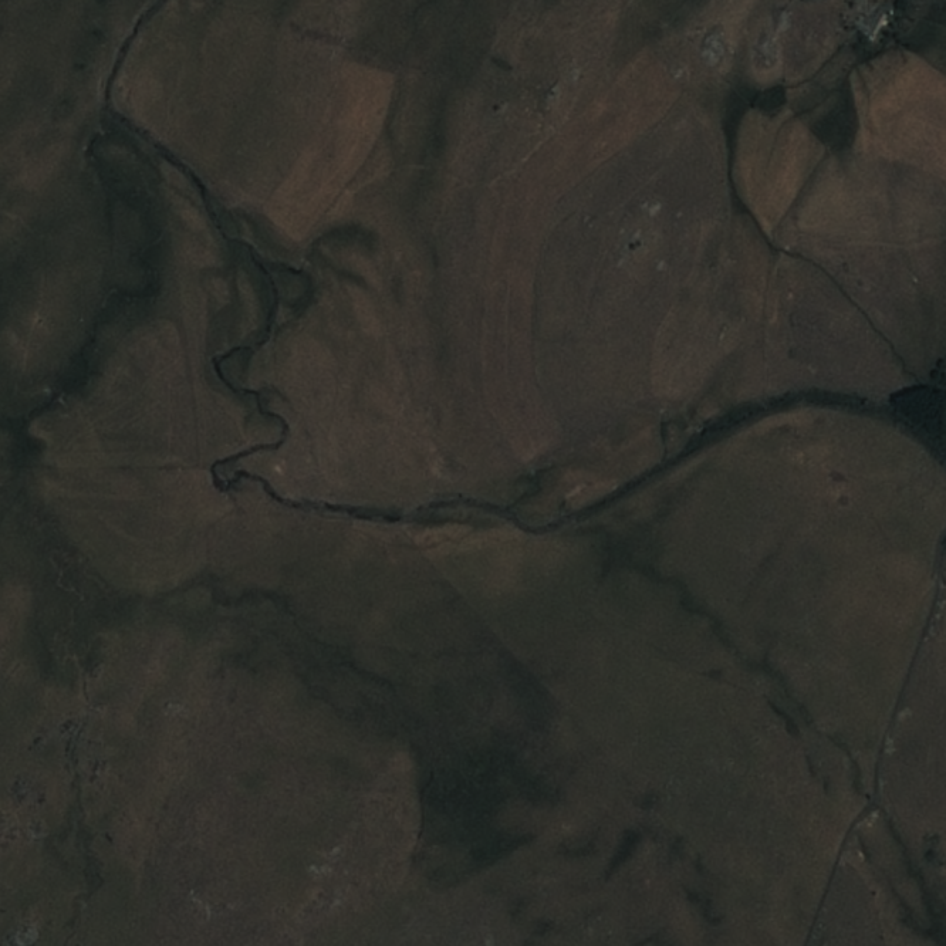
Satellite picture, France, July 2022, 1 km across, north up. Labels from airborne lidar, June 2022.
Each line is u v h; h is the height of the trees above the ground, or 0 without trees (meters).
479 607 0
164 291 0
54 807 0
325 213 0
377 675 0
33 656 0
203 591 0
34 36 0
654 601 0
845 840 0
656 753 0
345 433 0
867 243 0
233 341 0
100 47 0
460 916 0
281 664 0
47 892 0
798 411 0
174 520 0
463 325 0
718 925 0
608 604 0
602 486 0
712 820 0
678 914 0
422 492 0
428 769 0
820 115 0
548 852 0
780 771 0
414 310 0
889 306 0
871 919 0
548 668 0
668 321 0
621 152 0
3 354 0
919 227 0
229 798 0
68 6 0
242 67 0
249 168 0
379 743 0
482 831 0
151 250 0
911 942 0
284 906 0
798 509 0
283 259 0
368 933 0
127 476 0
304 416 0
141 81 0
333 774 0
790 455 0
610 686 0
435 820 0
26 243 0
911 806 0
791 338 0
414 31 0
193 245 0
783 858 0
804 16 0
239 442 0
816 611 0
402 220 0
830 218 0
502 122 0
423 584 0
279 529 0
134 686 0
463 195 0
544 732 0
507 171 0
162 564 0
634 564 0
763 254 0
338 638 0
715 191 0
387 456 0
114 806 0
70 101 0
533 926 0
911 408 22
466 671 0
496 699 0
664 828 0
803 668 0
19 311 0
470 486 0
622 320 0
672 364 0
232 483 0
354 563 0
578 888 0
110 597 0
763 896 0
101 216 0
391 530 0
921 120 0
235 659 0
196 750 0
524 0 0
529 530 0
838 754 0
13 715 0
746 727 0
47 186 0
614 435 0
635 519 0
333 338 0
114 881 0
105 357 0
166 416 0
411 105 0
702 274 0
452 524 0
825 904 0
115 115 0
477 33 0
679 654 0
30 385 0
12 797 0
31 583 0
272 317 0
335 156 0
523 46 0
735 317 0
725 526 0
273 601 0
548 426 0
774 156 0
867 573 0
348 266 0
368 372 0
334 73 0
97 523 0
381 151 0
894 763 0
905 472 0
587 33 0
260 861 0
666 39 0
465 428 0
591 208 0
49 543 0
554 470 0
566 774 0
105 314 0
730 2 0
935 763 0
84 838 0
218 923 0
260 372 0
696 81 0
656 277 0
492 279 0
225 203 0
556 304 0
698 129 0
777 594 0
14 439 0
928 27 0
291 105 0
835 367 0
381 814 0
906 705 0
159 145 0
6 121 0
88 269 0
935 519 0
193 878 0
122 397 0
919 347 0
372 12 0
